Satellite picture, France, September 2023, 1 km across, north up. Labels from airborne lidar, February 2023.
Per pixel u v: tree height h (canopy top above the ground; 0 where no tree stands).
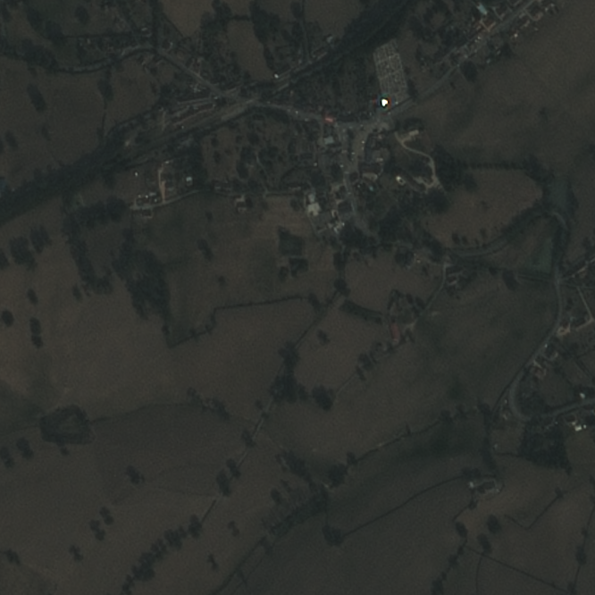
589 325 0
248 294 0
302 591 0
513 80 0
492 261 0
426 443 0
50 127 0
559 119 0
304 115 0
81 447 0
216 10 17
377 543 0
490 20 0
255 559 0
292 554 0
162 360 0
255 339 0
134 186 0
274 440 0
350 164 0
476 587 0
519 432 0
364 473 0
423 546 0
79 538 0
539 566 0
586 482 0
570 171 0
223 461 0
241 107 0
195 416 0
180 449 0
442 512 0
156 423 0
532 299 0
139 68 0
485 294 0
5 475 0
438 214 0
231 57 7
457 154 0
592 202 0
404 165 0
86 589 0
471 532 0
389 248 19
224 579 0
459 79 0
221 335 0
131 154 0
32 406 0
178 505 0
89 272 21
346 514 0
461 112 0
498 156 0
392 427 0
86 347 0
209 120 0
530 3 0
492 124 0
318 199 10
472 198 0
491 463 23
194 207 0
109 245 0
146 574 19
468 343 0
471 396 0
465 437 0
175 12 0
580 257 0
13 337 0
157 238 0
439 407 0
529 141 0
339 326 0
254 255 0
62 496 0
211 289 0
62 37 22
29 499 0
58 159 0
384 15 16
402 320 0
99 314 0
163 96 8
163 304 24
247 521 0
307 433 0
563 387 0
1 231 0
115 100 0
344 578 0
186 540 0
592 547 0
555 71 0
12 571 0
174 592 0
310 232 0
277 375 0
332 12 0
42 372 0
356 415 0
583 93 0
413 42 0
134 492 0
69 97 0
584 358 0
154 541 0
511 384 0
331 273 0
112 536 0
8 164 0
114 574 0
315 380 0
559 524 0
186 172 9
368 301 0
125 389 0
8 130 0
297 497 0
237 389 0
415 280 0
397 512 0
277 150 8
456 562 15
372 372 0
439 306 0
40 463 0
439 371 0
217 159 8
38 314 0
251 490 0
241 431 0
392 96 0
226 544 0
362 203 0
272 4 0
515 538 0
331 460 0
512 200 0
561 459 19
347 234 21
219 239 0
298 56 9
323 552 0
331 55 14
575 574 0
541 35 0
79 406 0
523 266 0
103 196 0
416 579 0
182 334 0
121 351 0
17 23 0
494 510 0
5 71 0
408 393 0
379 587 0
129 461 0
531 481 0
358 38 15
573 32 0
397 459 0
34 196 10
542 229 0
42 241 24
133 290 27
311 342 0
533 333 0
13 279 0
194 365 0
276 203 0
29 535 0
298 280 0
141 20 0
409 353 0
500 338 0
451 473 0
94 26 0
